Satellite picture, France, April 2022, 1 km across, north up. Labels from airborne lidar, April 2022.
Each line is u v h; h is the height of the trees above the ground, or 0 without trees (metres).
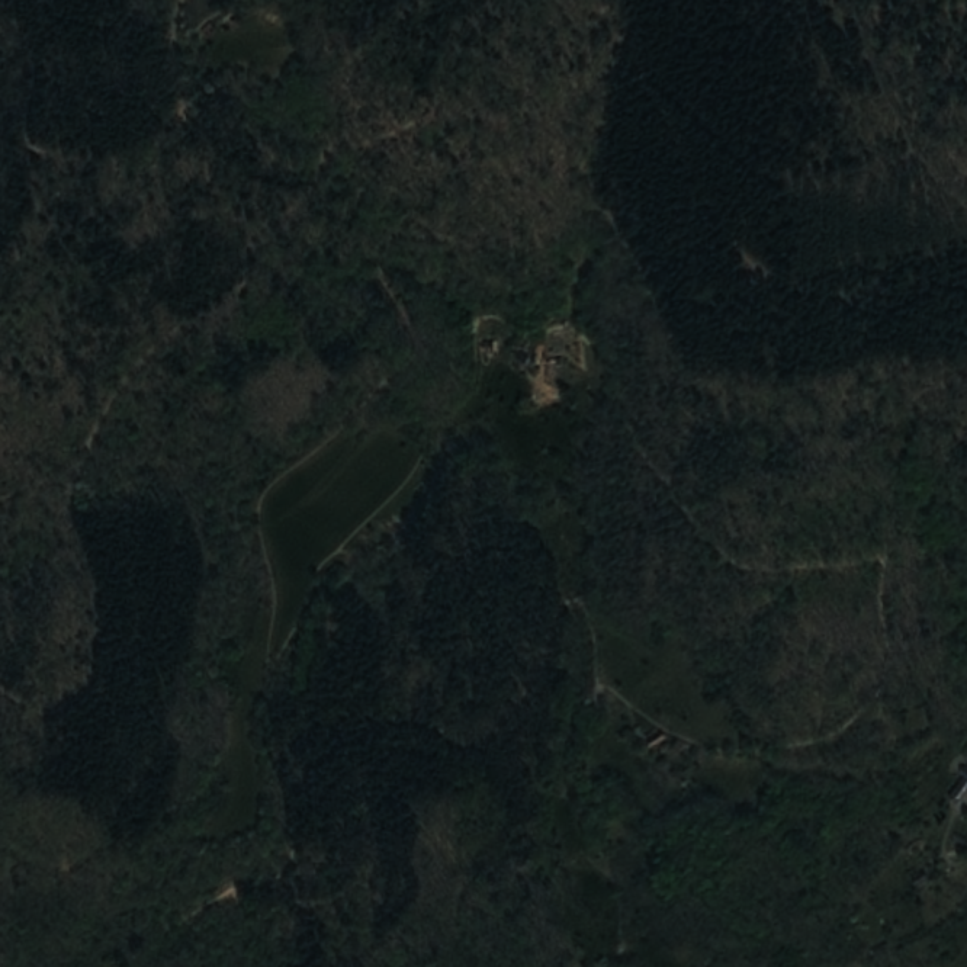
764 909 19
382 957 26
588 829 16
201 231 10
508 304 20
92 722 26
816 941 12
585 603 21
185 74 24
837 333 28
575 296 15
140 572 24
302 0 13
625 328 23
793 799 16
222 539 21
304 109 17
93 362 9
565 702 23
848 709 14
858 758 21
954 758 0
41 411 10
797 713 20
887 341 27
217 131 20
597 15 24
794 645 15
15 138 9
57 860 18
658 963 0
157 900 21
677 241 20
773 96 19
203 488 26
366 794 28
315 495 0
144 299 14
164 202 14
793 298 26
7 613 17
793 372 20
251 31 0
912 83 24
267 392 17
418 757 31
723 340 26
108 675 27
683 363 18
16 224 10
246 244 12
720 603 20
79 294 18
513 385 0
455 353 29
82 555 23
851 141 9
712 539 18
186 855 11
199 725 22
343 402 19
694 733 0
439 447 10
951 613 28
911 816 9
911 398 26
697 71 25
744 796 0
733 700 15
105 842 17
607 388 14
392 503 0
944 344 23
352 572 20
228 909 14
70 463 13
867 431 27
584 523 10
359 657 29
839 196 18
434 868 28
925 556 16
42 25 23
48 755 16
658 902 20
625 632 18
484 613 29
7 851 18
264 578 14
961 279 21
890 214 17
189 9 11
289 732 29
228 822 0
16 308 8
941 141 26
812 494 15
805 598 17
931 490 20
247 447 12
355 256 15
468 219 22
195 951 22
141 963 18
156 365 19
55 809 20
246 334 17
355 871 14
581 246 27
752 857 18
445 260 29
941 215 17
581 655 28
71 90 21
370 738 31
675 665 0
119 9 24
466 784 10
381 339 16
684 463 17
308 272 21
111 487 18
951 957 7
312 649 20
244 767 0
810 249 19
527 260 22
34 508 12
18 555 8
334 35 18
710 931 23
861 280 14
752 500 10
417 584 24
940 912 10
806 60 22
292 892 24
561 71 23
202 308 15
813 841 21
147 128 25
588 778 15
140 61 25
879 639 14
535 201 25
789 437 19
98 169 16
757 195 22
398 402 15
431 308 30
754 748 16
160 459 13
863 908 11
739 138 24
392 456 0
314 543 0
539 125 20
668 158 27
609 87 28
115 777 28
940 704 19
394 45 28
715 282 22
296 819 24
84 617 20
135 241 15
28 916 14
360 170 10
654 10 29
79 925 21
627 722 6
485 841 9
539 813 25
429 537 26
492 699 20
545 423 8
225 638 16
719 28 24
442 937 22
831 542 25
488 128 23
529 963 19
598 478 28
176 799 15
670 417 24
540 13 22
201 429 25
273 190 19
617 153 27
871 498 14
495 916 23
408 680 20
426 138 22
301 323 13
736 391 11
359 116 22
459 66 15
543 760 28
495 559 31
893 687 21
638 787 20
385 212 23
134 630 31
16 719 16
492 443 26
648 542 21
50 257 9
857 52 15
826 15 26
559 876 17
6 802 15
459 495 27
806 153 22
